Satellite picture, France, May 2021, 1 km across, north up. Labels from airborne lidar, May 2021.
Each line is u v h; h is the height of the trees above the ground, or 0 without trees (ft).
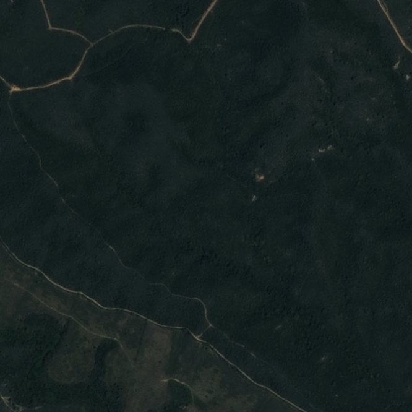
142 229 19
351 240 19
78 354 0
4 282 0
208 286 23
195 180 17
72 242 18
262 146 38
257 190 19
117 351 0
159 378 0
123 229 28
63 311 0
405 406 19
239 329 23
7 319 0
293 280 28
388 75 18
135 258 23
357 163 20
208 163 28
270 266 28
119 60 18
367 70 27
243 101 23
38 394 30
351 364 22
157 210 21
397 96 19
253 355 0
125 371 0
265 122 19
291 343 38
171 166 0
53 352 33
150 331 0
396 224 23
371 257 18
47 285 0
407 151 17
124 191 35
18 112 19
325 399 21
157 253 20
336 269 20
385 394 22
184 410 0
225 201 17
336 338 20
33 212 23
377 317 18
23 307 0
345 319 19
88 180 19
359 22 19
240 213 23
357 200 18
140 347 0
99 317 0
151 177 23
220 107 19
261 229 24
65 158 17
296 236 21
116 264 0
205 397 0
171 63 22
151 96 0
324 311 40
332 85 21
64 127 0
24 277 0
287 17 17
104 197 18
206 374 0
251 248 21
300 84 0
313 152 0
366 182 26
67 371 0
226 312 17
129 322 0
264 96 20
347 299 22
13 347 24
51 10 0
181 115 19
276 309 37
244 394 0
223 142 33
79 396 20
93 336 0
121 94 0
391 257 22
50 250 19
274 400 0
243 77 17
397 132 18
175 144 19
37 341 21
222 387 0
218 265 39
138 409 0
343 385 22
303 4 0
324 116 22
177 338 0
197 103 17
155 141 0
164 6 23
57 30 0
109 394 37
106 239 18
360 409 21
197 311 18
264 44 19
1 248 0
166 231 24
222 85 17
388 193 28
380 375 32
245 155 42
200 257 36
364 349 18
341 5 17
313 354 20
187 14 29
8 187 24
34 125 19
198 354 0
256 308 24
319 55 21
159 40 22
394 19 0
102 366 20
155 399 0
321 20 18
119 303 19
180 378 0
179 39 22
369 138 24
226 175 25
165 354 0
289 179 23
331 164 22
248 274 38
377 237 20
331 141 19
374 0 0
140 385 0
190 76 17
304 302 23
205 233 19
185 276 20
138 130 19
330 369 21
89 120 25
